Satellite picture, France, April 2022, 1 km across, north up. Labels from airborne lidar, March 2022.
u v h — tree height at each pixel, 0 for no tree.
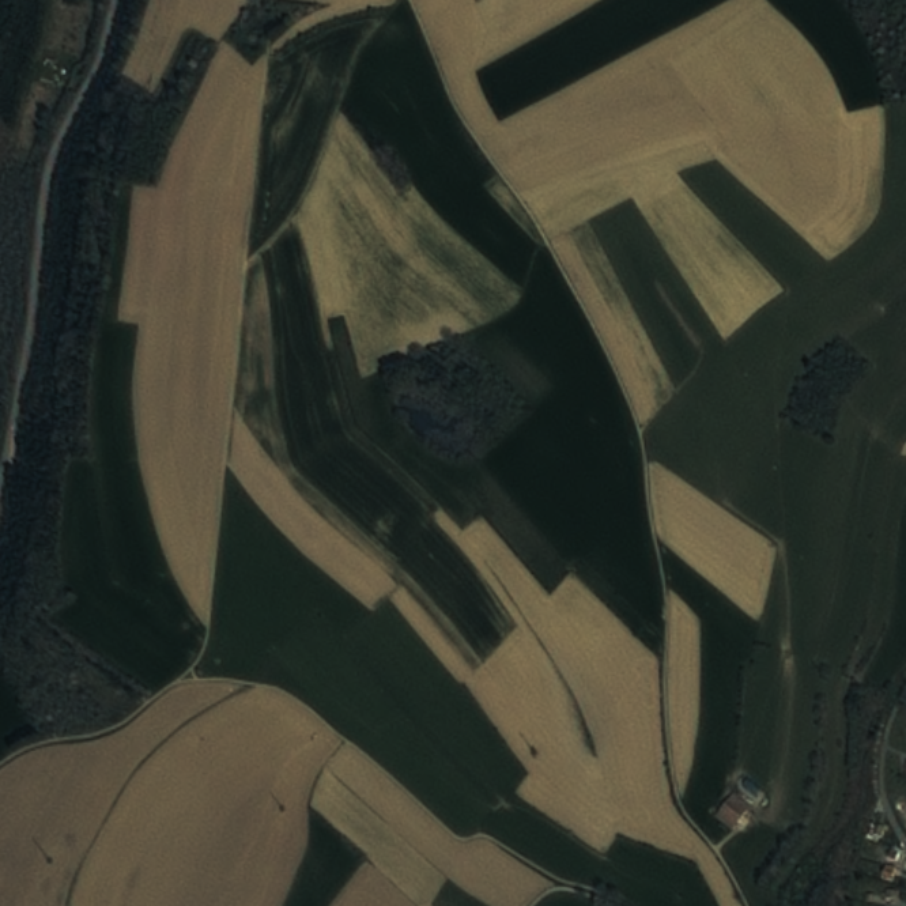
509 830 0
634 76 0
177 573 0
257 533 0
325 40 0
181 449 0
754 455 0
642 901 0
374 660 0
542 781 0
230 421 0
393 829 0
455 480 0
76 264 12
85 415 11
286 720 0
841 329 0
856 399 0
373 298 0
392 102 0
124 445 0
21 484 15
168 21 0
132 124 22
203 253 0
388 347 0
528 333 0
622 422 0
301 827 0
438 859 0
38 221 0
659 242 0
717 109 0
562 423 0
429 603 0
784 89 0
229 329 0
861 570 0
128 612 0
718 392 0
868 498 0
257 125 0
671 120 0
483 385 18
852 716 14
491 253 0
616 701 0
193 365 0
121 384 0
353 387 0
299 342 0
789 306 0
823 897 31
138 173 18
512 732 0
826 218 0
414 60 0
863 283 0
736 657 0
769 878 19
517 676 0
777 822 0
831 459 0
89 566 0
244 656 0
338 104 0
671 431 0
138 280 0
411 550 0
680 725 0
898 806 0
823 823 0
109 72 9
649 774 0
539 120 0
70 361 19
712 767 0
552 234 0
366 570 0
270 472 0
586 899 14
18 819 0
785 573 0
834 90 0
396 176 17
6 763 0
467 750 0
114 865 0
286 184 0
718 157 0
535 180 0
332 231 0
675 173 0
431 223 0
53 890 0
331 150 0
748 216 0
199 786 0
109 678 21
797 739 0
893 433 0
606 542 0
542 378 0
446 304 0
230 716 0
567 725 0
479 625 0
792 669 0
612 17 0
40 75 0
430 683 0
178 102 15
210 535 0
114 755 0
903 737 0
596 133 0
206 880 0
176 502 0
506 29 0
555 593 0
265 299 0
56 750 0
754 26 0
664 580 0
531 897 0
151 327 0
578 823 0
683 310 0
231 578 0
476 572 0
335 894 0
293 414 0
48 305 8
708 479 0
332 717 0
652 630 0
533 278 0
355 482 0
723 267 0
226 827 0
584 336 0
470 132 0
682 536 0
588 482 0
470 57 0
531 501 0
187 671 0
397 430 0
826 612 0
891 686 12
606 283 0
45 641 19
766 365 0
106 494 0
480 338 0
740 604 0
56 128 20
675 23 0
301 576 0
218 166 0
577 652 0
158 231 0
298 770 0
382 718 0
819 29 0
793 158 0
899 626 0
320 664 0
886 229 0
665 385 0
